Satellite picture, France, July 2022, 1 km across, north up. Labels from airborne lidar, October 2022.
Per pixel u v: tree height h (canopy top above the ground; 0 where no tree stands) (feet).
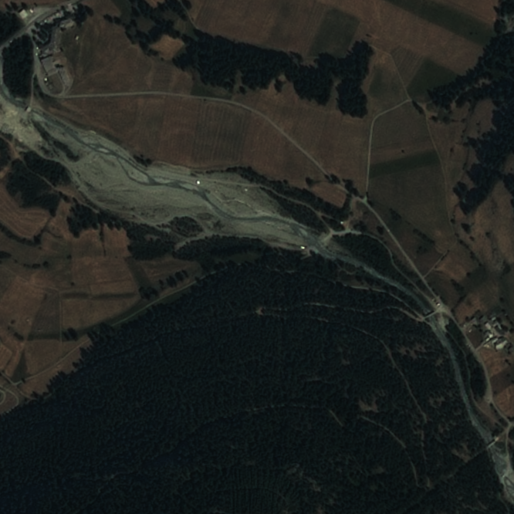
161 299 0
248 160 0
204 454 65
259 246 28
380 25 0
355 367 60
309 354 43
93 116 0
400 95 0
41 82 0
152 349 44
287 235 0
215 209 0
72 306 0
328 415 45
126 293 0
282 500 37
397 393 73
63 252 0
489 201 0
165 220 0
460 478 51
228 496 38
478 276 0
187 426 49
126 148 0
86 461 66
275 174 0
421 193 0
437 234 0
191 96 0
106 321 0
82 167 0
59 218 0
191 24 0
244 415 64
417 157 0
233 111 0
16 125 0
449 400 47
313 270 25
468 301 0
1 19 22
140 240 32
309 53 0
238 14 0
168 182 0
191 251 26
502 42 41
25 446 58
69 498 55
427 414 32
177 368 55
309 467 65
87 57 0
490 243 0
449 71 0
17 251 0
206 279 21
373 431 48
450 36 0
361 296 65
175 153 0
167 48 0
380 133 0
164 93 0
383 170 0
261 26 0
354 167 0
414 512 51
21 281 0
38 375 0
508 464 0
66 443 75
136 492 56
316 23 0
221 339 53
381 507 78
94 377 45
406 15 0
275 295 38
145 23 0
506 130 92
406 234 0
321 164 0
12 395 0
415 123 0
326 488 62
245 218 0
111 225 56
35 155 21
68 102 0
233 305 47
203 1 0
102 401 78
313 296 47
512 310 0
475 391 42
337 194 0
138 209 0
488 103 0
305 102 0
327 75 97
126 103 0
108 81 0
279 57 76
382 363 62
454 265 0
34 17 0
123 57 0
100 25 0
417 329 44
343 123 0
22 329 0
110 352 70
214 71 52
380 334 50
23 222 0
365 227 56
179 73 0
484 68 56
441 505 64
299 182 0
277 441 23
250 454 47
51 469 58
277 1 0
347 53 0
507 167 0
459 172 0
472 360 26
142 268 0
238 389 69
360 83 71
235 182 0
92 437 85
